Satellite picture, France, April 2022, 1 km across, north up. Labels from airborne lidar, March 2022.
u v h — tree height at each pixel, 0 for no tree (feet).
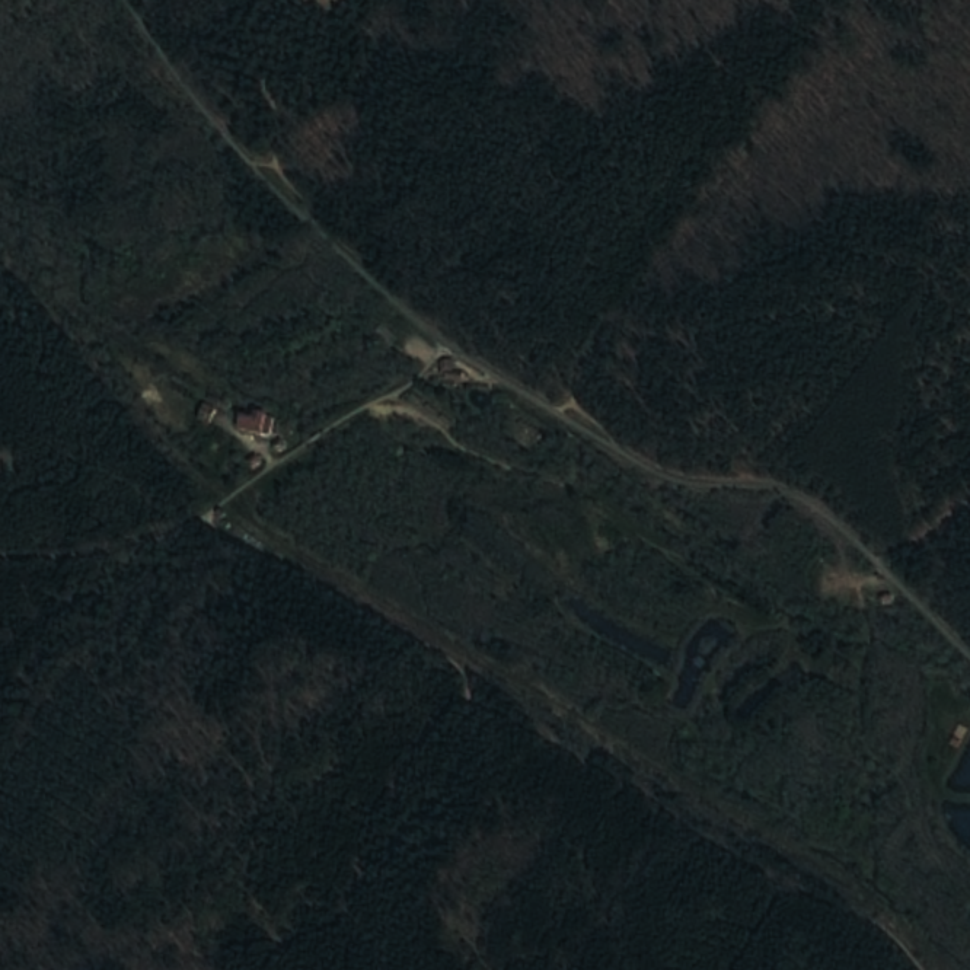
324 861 67
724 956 61
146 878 44
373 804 32
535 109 55
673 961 69
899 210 67
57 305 58
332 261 81
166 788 73
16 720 94
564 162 76
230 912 43
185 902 45
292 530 54
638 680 39
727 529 44
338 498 62
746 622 0
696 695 29
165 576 106
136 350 45
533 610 30
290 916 40
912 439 56
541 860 39
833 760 50
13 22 65
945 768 0
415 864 76
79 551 81
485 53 54
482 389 0
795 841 71
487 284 61
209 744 74
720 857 87
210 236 70
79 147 23
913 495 59
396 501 67
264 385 54
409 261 66
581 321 74
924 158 88
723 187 75
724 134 64
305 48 82
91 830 52
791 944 69
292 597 72
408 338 0
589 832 45
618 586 61
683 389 76
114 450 75
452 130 81
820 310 68
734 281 63
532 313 73
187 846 53
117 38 64
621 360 66
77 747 59
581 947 37
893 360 57
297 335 52
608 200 63
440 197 76
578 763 61
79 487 64
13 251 47
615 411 70
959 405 72
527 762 44
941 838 63
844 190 55
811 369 66
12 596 63
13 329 82
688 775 63
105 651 73
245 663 68
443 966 53
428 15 73
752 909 51
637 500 64
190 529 72
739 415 77
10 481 73
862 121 78
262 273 42
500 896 22
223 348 60
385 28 86
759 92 78
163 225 71
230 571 101
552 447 78
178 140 54
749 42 79
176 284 0
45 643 92
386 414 0
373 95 82
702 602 69
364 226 87
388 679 56
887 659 53
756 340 58
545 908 43
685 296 50
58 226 66
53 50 55
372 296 77
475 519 58
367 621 45
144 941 49
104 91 46
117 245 78
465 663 0
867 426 66
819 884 66
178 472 65
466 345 64
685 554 56
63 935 56
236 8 62
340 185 82
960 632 35
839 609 47
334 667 64
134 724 43
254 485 0
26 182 58
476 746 54
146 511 80
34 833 60
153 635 66
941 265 72
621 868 69
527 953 28
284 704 71
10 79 48
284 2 79
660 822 53
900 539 65
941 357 63
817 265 58
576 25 70
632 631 0
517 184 73
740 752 59
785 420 73
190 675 74
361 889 77
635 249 54
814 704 55
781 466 67
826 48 65
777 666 38
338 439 51
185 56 71
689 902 66
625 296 75
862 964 71
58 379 86
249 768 19
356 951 70
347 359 46
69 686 64
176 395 0
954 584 53
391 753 63
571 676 39
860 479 64
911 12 65
